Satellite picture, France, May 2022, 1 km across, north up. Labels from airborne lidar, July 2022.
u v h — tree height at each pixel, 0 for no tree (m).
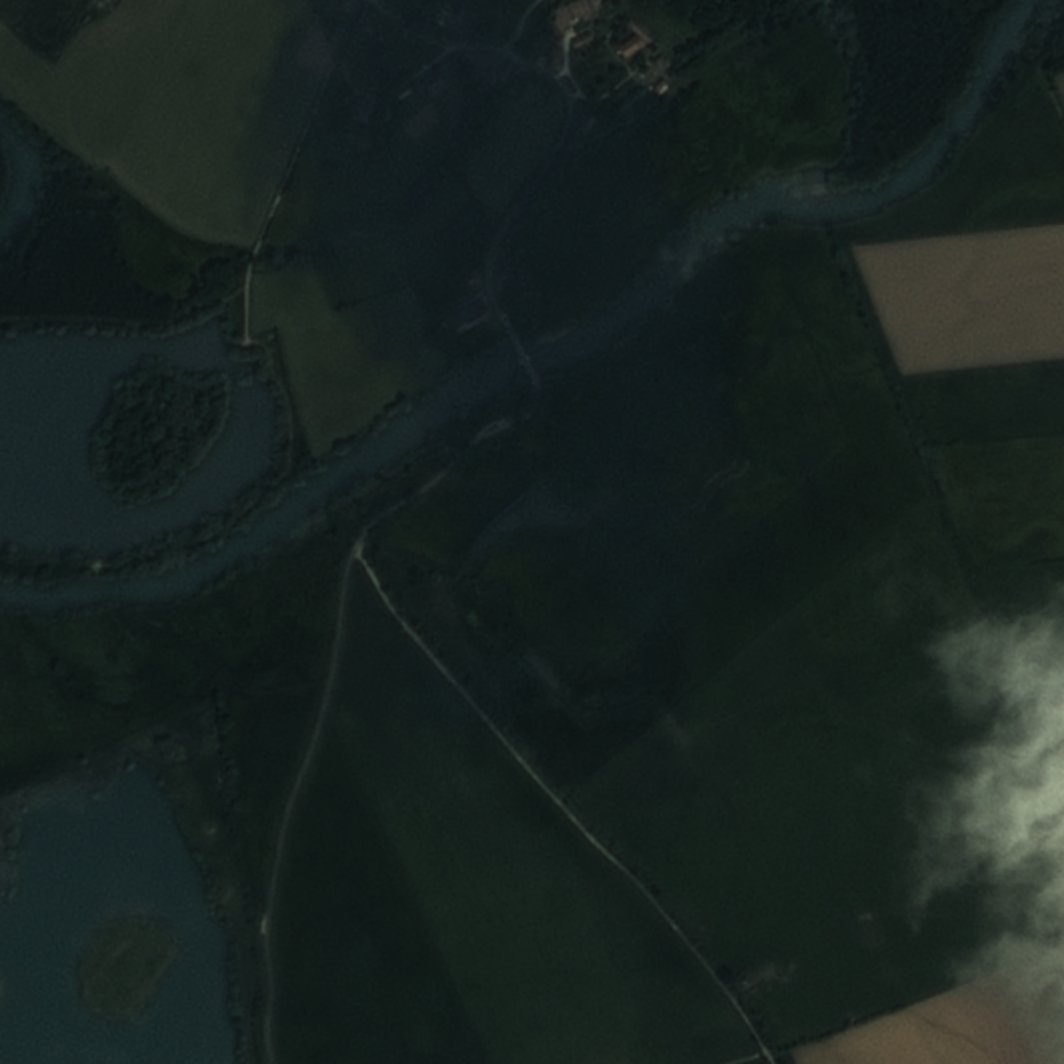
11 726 0
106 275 23
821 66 0
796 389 0
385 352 0
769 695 0
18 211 0
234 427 0
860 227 0
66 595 0
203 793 0
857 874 0
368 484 20
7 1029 0
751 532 0
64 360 0
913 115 24
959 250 0
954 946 0
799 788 0
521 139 0
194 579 0
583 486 0
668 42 0
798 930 0
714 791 0
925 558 0
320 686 0
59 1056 0
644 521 0
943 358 0
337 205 0
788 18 16
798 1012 0
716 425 0
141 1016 0
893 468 0
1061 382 0
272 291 0
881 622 0
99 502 0
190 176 0
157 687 0
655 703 0
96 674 0
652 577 0
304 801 0
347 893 0
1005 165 0
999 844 0
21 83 0
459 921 0
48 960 0
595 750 0
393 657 0
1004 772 0
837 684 0
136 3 0
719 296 0
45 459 0
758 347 0
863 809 0
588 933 0
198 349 0
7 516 0
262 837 0
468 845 0
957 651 0
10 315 24
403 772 0
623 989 0
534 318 14
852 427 0
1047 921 0
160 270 0
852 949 0
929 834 0
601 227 0
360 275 0
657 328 0
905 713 0
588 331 0
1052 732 0
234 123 0
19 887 0
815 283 0
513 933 0
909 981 0
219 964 0
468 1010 0
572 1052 0
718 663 0
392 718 0
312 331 0
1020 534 0
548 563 0
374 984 0
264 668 0
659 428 0
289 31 0
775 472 0
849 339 0
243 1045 11
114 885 0
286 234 0
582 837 0
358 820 0
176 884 0
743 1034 0
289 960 0
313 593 0
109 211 17
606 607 0
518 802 0
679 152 0
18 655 0
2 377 0
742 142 0
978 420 0
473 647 0
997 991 0
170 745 13
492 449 0
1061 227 0
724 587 0
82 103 0
